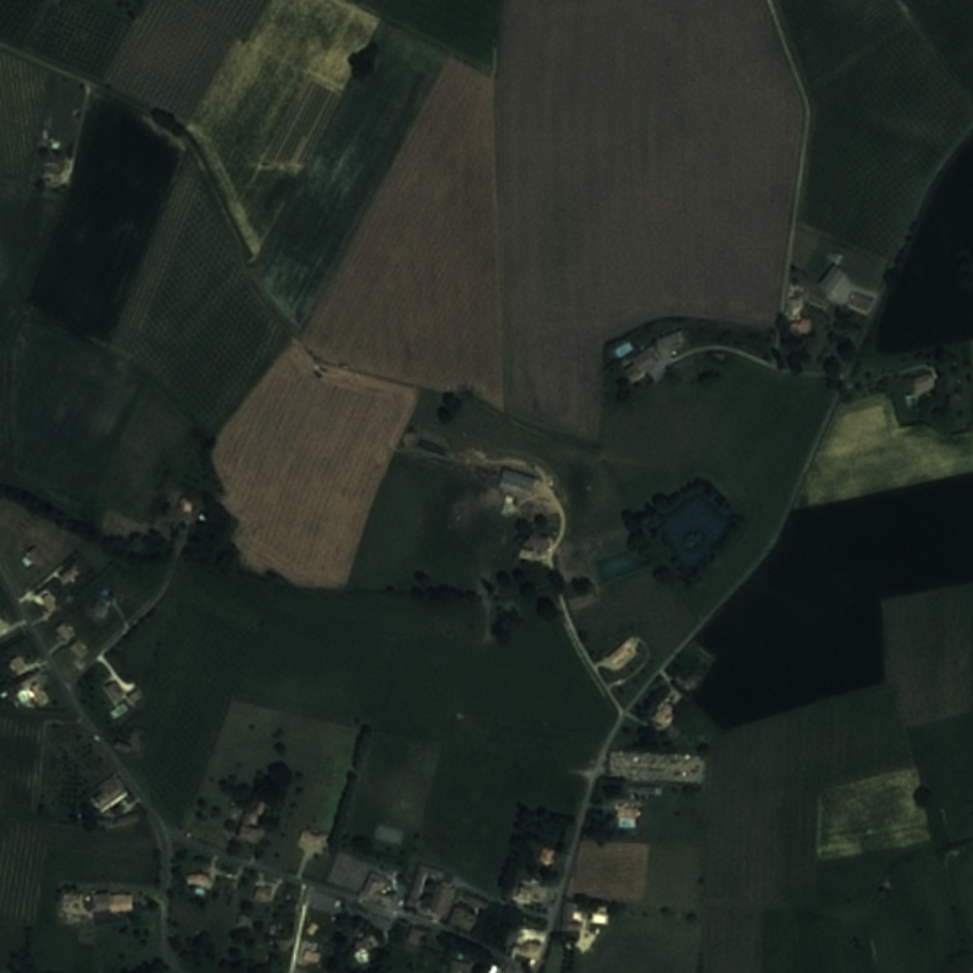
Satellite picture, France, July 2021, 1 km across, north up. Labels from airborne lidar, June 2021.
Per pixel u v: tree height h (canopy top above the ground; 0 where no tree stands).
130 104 0
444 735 0
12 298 0
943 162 0
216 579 0
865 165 0
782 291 0
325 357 0
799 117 0
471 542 0
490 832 0
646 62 0
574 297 0
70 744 0
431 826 0
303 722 0
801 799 0
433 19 0
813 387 0
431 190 0
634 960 0
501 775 0
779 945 0
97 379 0
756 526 0
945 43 0
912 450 0
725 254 0
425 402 0
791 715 0
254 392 0
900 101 0
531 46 0
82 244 0
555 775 0
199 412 0
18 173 0
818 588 0
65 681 0
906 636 0
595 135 0
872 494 0
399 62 0
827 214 0
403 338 0
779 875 0
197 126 0
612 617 0
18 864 0
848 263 0
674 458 0
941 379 14
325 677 0
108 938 0
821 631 0
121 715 0
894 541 0
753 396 0
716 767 0
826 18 0
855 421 0
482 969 14
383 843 0
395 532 0
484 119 0
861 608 0
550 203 0
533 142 0
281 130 0
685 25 0
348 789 8
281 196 0
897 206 0
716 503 10
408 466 0
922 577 0
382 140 0
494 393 0
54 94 0
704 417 0
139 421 0
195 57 0
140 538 13
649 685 0
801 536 0
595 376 0
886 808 0
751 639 0
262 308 0
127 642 7
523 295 0
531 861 12
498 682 0
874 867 0
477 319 0
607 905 7
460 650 0
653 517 11
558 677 0
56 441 0
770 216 0
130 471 0
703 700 0
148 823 0
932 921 0
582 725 0
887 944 0
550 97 0
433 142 0
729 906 0
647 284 0
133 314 0
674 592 0
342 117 0
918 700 0
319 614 0
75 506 0
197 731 0
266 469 0
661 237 0
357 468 0
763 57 0
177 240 0
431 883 9
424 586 16
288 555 0
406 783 0
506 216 0
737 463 0
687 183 0
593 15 0
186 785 0
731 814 0
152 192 0
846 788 0
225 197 0
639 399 0
